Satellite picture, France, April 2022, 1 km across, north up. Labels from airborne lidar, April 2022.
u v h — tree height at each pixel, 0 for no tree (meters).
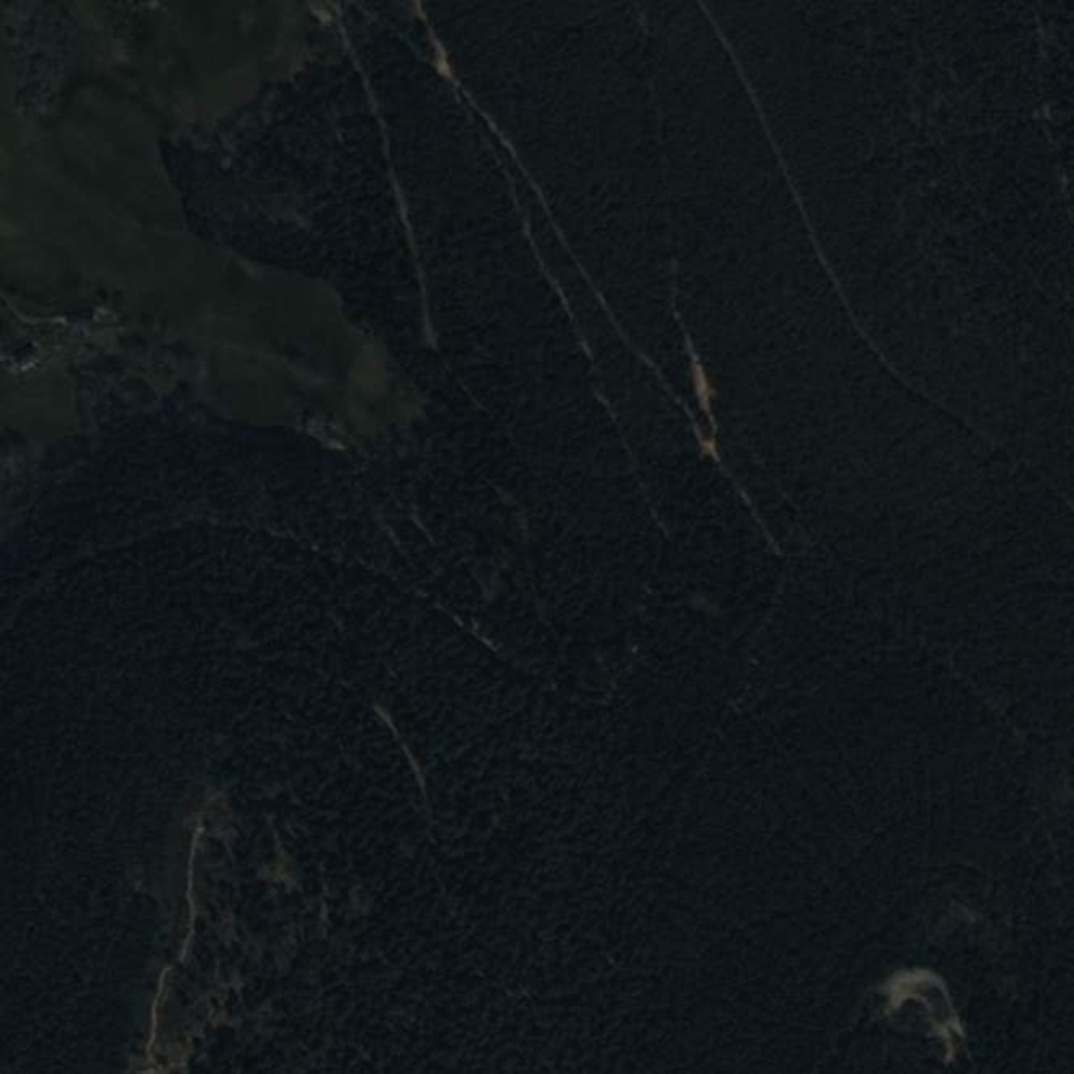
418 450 21
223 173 25
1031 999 9
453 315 8
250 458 25
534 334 19
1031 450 15
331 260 24
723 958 16
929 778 19
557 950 17
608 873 26
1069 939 20
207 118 0
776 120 14
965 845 17
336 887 26
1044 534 19
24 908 17
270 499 22
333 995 24
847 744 14
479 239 22
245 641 21
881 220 16
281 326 0
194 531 21
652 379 21
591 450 23
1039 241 22
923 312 14
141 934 14
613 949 23
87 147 0
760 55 16
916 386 14
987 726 19
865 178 13
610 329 17
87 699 17
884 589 24
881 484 18
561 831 27
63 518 23
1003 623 19
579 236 18
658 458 22
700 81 15
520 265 19
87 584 20
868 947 17
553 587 28
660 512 16
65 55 18
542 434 20
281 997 17
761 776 19
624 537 18
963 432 16
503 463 19
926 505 17
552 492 19
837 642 19
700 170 20
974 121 16
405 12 19
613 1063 19
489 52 19
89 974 19
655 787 25
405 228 19
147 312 0
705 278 16
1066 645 20
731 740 14
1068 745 17
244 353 0
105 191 0
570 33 17
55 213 0
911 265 14
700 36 16
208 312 0
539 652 40
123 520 24
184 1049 16
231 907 15
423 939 20
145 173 0
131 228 0
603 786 17
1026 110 18
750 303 19
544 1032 23
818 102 16
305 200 6
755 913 18
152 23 0
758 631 21
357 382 0
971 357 12
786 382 19
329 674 26
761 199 15
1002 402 15
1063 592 19
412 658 30
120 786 18
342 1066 22
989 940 9
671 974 19
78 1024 16
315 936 20
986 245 19
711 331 16
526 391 20
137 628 15
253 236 27
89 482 24
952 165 17
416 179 23
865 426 16
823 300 14
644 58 14
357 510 27
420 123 20
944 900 8
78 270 0
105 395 20
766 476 12
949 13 17
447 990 22
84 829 14
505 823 7
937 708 18
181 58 0
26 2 16
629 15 14
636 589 23
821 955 17
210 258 0
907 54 16
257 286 0
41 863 16
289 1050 14
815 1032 19
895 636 26
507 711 31
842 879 15
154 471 26
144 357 12
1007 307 16
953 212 16
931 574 17
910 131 11
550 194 14
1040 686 17
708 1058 21
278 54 0
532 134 15
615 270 18
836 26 13
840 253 12
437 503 28
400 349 9
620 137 17
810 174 14
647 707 25
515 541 7
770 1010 19
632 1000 20
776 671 18
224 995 0
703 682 17
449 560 16
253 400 0
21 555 21
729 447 17
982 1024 21
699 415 17
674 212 11
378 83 18
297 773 26
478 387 9
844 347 14
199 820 0
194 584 22
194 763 18
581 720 22
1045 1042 16
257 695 22
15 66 0
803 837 15
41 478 21
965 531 21
